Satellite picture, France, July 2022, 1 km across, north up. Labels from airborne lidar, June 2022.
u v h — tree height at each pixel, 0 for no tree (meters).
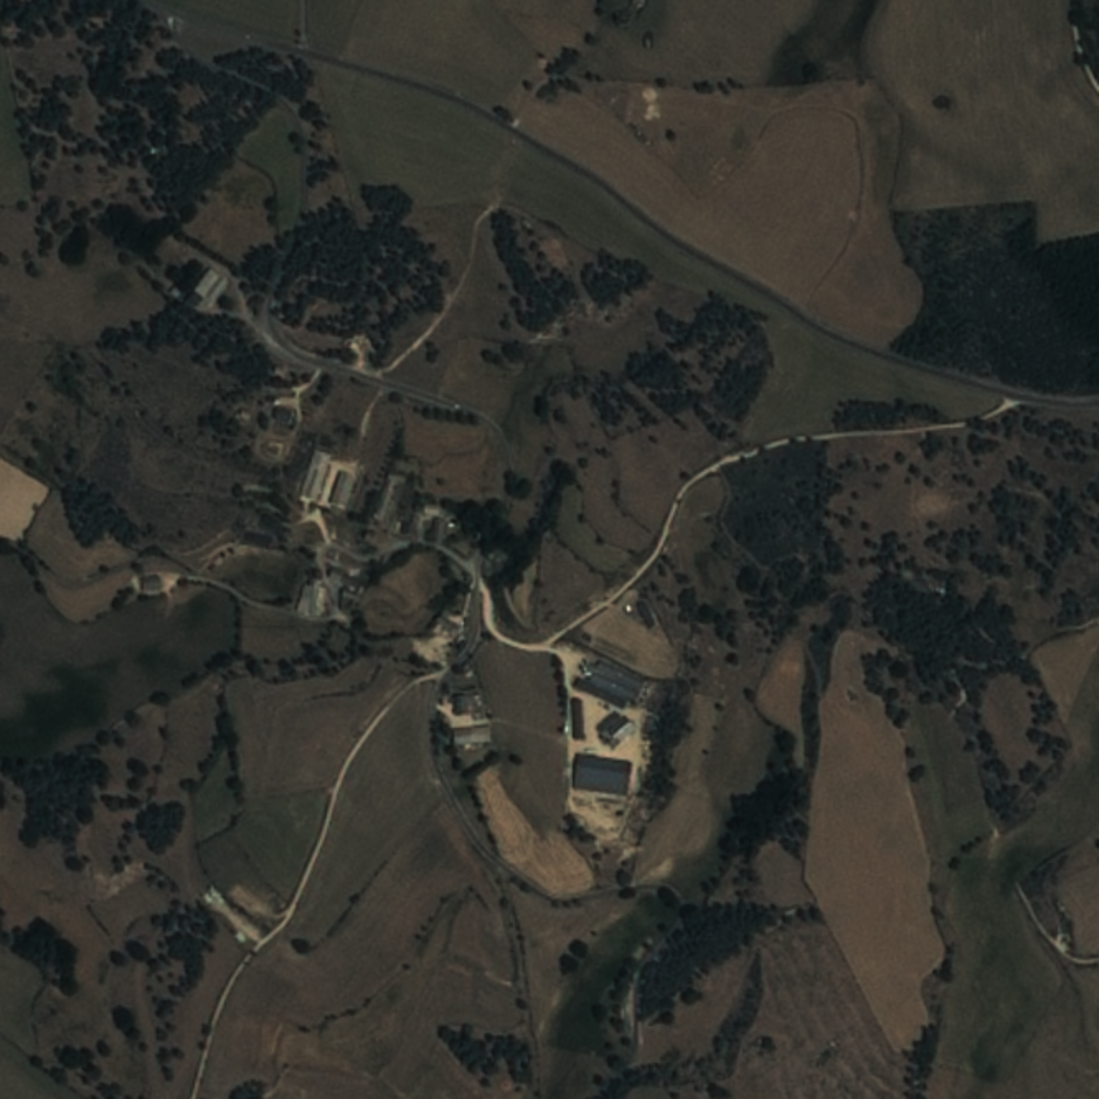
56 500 0
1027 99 0
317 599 0
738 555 0
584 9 0
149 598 10
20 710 0
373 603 0
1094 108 0
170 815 20
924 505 0
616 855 0
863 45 0
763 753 0
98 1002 0
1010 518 9
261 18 0
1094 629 0
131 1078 0
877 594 11
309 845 0
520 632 0
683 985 9
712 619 15
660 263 0
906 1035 0
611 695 0
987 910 0
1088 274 13
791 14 0
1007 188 0
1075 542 12
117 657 0
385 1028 0
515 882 11
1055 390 6
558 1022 0
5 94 0
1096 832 0
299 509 0
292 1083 0
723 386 12
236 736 11
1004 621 19
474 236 0
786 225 0
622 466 0
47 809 15
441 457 0
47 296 0
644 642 0
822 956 0
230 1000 0
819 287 0
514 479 14
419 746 0
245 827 0
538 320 14
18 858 0
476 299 0
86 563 0
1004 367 6
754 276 0
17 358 0
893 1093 0
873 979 0
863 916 0
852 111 0
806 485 11
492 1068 14
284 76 14
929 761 0
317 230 13
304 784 0
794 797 9
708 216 0
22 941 12
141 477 0
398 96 0
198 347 14
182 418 0
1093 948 0
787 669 0
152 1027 0
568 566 0
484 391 0
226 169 12
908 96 0
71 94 12
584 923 0
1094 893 0
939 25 0
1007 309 6
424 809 0
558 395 0
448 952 0
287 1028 0
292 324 8
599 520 0
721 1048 10
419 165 0
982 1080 0
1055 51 0
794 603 12
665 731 17
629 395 13
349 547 0
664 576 8
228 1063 0
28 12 21
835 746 0
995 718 0
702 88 13
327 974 0
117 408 0
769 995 0
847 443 0
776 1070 0
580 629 0
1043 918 0
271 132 0
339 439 0
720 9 0
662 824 0
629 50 0
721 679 0
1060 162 0
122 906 0
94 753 10
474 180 0
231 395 8
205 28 0
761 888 0
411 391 0
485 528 16
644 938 0
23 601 0
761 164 0
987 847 0
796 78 0
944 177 0
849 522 9
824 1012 0
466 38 0
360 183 0
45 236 11
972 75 0
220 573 0
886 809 0
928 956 0
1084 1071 0
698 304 0
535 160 0
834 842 0
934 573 9
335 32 0
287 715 0
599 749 0
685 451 0
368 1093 0
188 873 0
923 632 16
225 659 15
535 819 0
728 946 16
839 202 0
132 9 18
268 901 0
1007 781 7
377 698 0
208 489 0
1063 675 0
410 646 0
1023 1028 0
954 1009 0
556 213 0
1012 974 0
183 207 13
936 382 0
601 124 0
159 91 16
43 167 7
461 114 0
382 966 0
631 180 0
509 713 0
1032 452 0
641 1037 0
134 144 14
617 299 12
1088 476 0
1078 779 0
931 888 8
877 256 0
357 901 9
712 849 0
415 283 14
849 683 0
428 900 0
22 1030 0
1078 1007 0
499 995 0
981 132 0
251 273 18
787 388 0
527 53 0
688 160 0
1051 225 0
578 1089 0
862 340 0
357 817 0
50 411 0
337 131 0
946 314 7
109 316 0
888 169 0
